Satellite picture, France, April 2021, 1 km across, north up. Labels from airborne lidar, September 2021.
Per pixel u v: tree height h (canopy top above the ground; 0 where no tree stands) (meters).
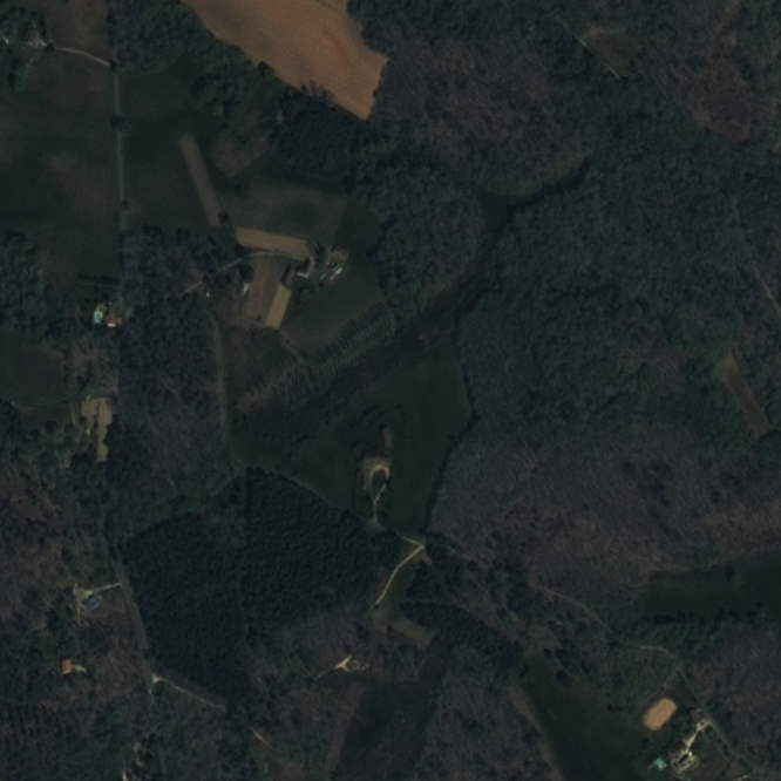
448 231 23
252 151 0
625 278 21
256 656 21
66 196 0
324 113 16
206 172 0
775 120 17
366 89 0
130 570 16
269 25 0
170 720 18
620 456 15
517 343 14
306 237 0
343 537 19
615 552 18
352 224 0
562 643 13
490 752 19
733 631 13
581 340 27
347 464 0
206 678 16
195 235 0
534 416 27
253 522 21
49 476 25
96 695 14
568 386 16
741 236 22
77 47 0
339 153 17
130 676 15
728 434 18
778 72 19
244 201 0
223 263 23
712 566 15
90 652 17
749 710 13
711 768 0
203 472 21
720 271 22
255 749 18
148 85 0
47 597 18
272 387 22
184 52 18
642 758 6
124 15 13
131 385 14
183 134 0
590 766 0
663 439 14
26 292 17
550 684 0
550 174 20
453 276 20
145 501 26
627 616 12
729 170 23
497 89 16
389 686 0
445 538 14
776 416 20
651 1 21
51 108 0
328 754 22
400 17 24
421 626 16
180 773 13
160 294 29
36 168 0
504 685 26
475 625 18
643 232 22
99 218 0
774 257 20
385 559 16
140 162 0
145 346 21
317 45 0
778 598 0
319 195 0
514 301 23
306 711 16
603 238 18
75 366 16
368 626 10
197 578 20
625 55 0
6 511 24
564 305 26
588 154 28
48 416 0
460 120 16
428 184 22
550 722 0
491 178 19
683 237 20
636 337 15
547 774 22
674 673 15
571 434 13
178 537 19
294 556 18
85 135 0
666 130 25
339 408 10
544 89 23
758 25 13
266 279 0
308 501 17
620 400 12
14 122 0
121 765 21
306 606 20
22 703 17
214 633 20
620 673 11
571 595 9
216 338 17
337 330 0
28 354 0
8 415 20
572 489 14
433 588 20
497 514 10
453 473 14
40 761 13
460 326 18
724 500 18
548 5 21
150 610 15
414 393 0
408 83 18
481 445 19
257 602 19
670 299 20
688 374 23
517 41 24
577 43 18
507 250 23
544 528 9
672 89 17
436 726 16
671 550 17
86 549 21
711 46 13
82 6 0
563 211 18
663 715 0
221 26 0
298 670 14
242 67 13
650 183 20
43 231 0
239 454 0
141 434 22
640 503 16
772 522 17
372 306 0
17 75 17
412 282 20
